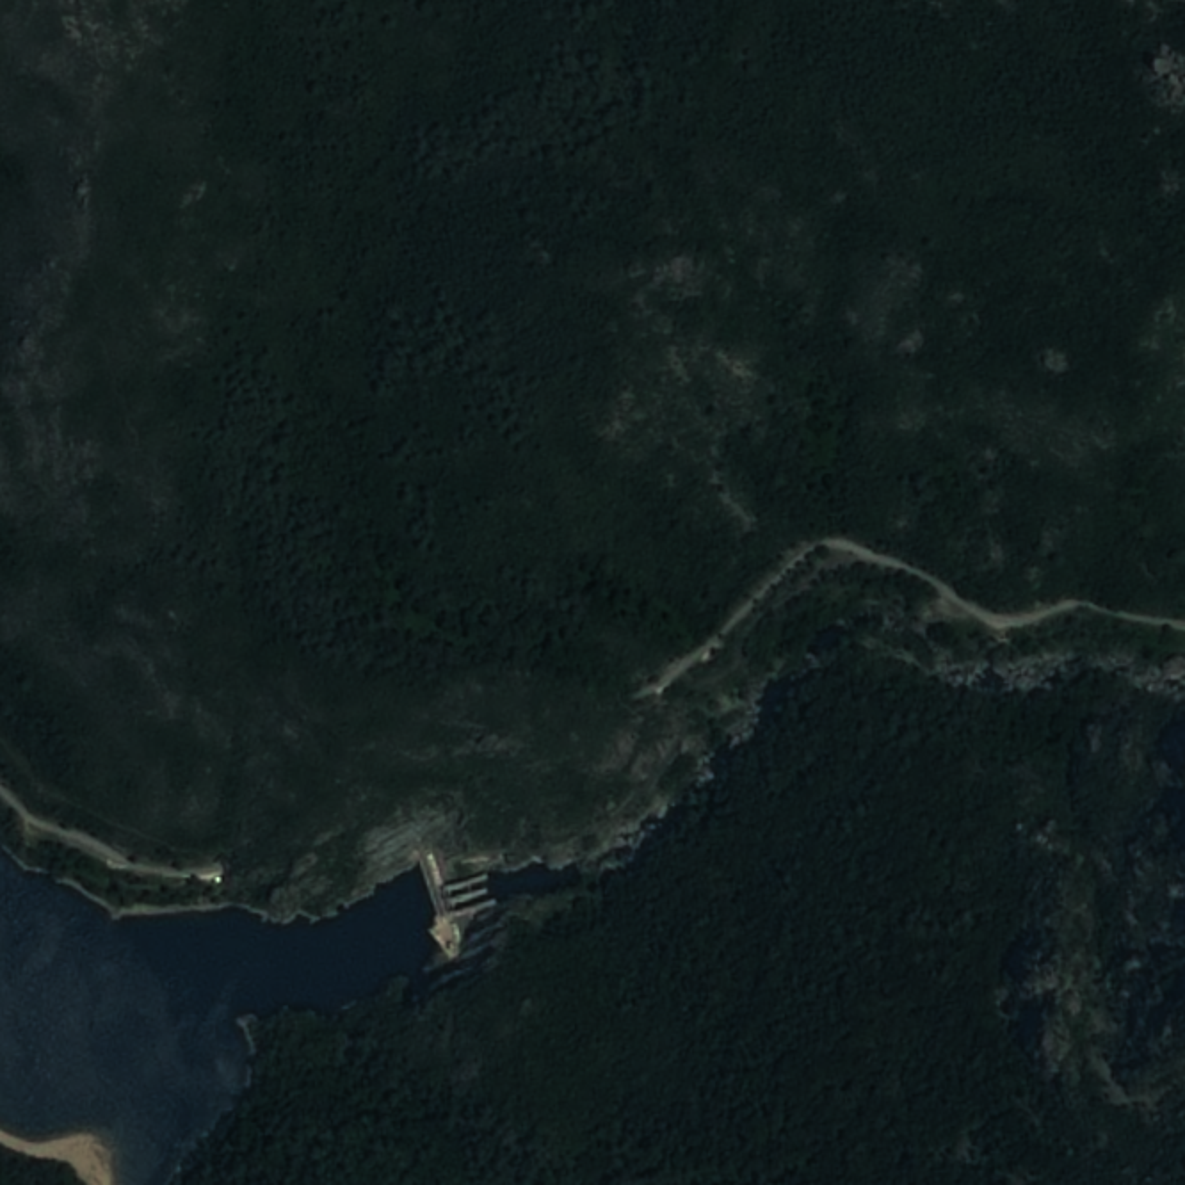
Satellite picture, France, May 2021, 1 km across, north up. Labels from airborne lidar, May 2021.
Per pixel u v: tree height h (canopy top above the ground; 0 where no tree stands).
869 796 9
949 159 11
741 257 7
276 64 9
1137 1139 6
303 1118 17
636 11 10
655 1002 10
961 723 16
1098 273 9
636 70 23
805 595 9
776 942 13
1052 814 7
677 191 13
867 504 8
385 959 0
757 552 9
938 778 17
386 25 14
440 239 7
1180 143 8
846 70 10
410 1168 8
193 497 6
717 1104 16
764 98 11
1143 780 7
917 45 8
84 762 6
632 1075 9
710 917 14
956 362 9
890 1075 14
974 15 9
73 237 0
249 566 19
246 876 8
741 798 18
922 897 15
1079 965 9
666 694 11
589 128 19
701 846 23
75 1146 0
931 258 8
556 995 13
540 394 7
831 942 15
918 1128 12
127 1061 0
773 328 9
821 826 8
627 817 6
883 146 10
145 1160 0
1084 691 15
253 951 0
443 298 18
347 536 9
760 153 11
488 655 11
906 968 21
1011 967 13
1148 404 5
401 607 18
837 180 6
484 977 6
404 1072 16
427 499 16
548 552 5
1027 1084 11
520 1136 9
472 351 18
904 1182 15
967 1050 15
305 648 12
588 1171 13
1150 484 9
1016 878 10
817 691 19
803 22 10
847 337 11
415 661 14
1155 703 7
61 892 0
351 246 8
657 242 12
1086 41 8
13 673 7
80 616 6
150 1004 0
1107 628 6
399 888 0
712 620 20
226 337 14
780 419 16
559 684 6
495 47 11
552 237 9
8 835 10
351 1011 6
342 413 9
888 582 14
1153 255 7
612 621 10
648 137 7
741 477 6
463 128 12
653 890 19
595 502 6
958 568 8
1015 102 10
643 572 6
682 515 6
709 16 14
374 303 6
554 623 23
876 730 10
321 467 10
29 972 0
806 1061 18
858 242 8
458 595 9
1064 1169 6
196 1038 0
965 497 9
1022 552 9
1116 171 13
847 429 11
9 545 9
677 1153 18
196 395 9
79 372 0
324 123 20
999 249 8
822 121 6
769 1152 18
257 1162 21
